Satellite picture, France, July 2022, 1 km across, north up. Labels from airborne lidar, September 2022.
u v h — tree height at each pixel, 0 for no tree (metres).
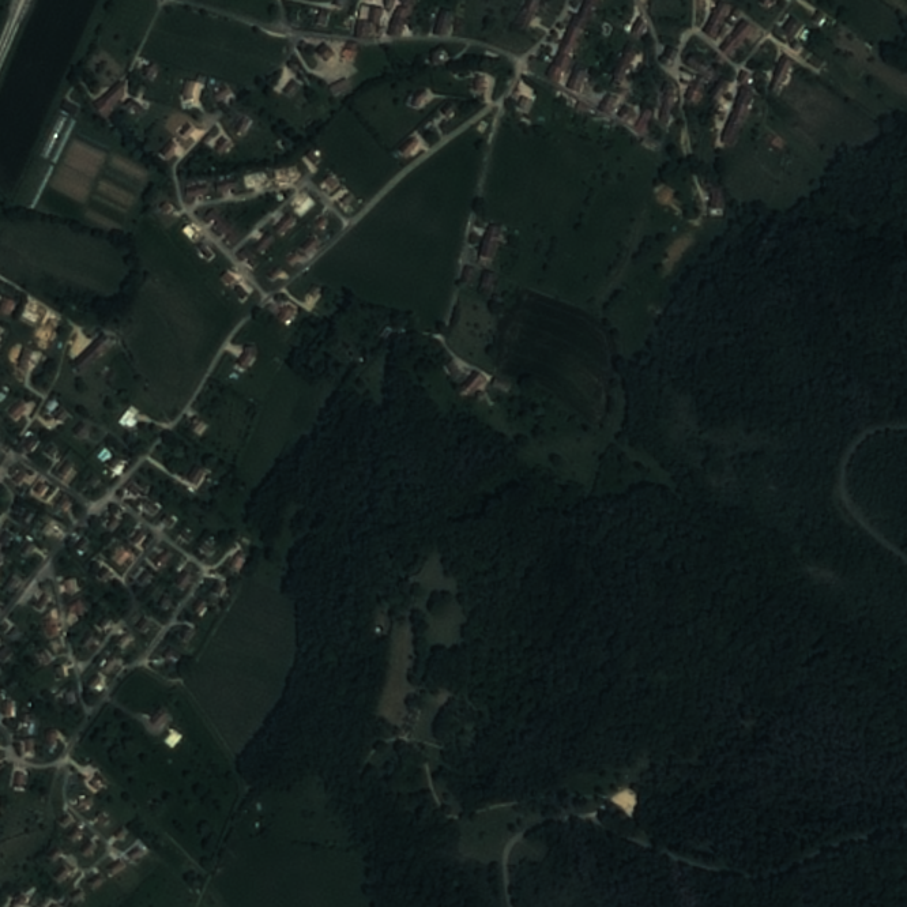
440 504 21
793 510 10
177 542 0
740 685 15
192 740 0
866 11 0
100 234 11
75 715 7
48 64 0
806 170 0
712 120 11
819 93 0
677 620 11
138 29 0
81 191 0
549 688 17
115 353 0
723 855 20
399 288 0
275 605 0
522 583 18
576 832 20
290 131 13
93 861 0
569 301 0
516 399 9
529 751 25
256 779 17
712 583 21
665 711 11
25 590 0
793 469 7
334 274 0
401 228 0
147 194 11
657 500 18
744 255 11
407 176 0
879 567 8
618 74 0
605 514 22
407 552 17
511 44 0
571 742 13
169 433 15
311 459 21
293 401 0
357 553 17
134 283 14
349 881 0
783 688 19
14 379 0
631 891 20
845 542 12
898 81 0
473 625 14
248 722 0
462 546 22
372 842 17
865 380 15
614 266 6
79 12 0
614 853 20
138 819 7
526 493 27
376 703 17
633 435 16
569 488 10
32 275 0
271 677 0
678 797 16
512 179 0
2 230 0
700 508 16
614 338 8
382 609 7
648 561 19
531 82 9
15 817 0
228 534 7
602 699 16
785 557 17
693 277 17
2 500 7
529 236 0
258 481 0
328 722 17
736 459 8
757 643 19
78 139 0
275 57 0
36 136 0
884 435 11
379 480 15
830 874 14
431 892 17
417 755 15
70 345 0
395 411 15
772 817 20
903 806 15
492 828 0
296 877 0
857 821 21
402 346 20
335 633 18
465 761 21
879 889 15
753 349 11
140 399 0
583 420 0
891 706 21
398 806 11
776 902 26
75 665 0
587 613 18
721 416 8
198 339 0
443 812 10
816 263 16
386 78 12
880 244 16
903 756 18
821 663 25
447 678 17
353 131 0
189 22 0
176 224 0
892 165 14
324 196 0
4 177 0
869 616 8
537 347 0
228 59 0
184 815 0
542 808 13
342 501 9
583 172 0
